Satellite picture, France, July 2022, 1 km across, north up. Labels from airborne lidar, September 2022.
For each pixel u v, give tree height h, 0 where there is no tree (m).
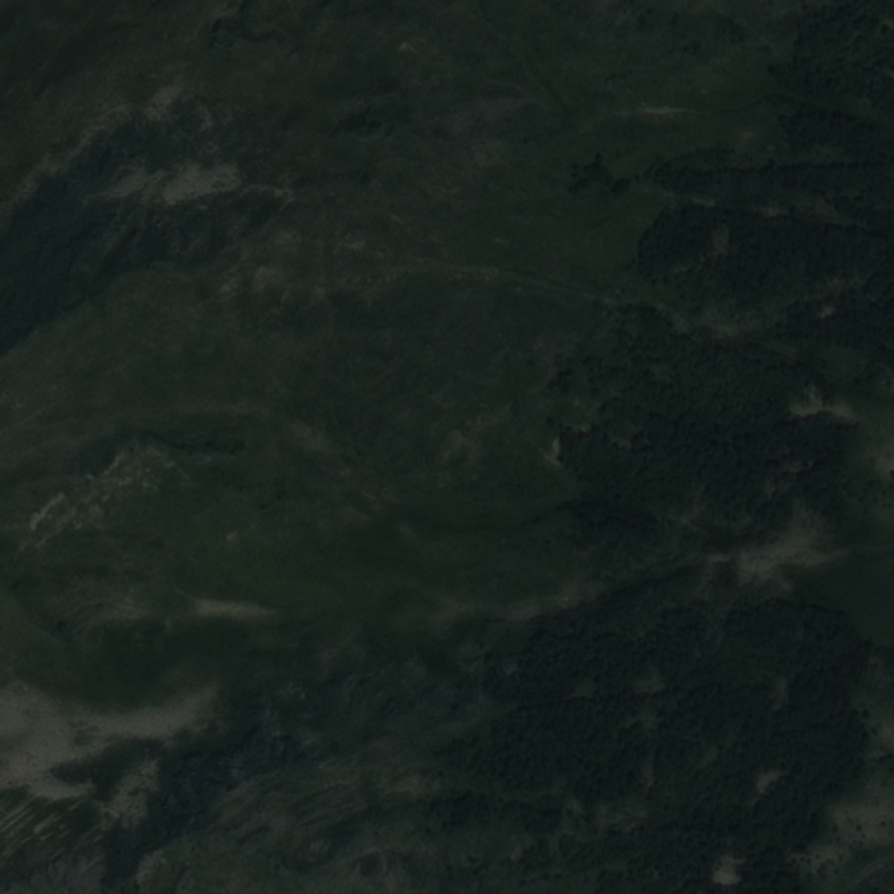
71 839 0
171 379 0
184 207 0
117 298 0
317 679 0
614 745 19
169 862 0
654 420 17
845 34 17
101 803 0
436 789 0
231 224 0
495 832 0
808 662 24
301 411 0
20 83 0
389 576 0
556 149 0
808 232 13
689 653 19
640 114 0
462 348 0
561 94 0
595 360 9
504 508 0
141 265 0
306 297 0
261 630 0
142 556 0
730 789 17
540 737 17
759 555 0
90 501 0
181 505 0
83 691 0
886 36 9
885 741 0
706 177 11
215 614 0
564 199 0
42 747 0
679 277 8
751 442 25
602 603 8
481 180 0
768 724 23
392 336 0
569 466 14
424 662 0
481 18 0
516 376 0
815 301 18
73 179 0
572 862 14
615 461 14
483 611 0
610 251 0
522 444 0
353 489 0
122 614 0
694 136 0
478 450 0
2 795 0
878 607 0
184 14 0
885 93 17
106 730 0
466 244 0
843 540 0
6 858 0
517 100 0
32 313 0
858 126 17
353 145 0
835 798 16
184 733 0
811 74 18
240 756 0
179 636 0
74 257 0
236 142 0
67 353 0
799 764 17
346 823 0
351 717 0
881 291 16
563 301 0
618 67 0
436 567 0
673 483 15
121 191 0
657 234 10
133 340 0
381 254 0
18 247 0
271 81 0
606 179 12
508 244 0
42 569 0
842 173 12
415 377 0
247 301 0
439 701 0
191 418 0
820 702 26
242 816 0
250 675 0
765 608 16
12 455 0
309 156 0
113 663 0
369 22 0
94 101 0
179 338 0
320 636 0
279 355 0
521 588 0
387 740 0
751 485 19
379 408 0
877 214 23
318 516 0
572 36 0
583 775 12
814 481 17
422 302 0
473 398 0
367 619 0
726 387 12
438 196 0
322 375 0
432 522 0
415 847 0
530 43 0
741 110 0
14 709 0
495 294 0
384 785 0
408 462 0
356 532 0
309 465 0
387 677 0
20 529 0
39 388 0
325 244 0
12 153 0
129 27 0
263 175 0
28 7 0
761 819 16
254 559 0
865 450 0
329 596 0
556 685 13
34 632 0
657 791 12
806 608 18
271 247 0
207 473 0
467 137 0
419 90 0
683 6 0
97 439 0
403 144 0
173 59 0
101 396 0
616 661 15
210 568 0
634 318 7
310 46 0
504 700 8
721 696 29
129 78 0
